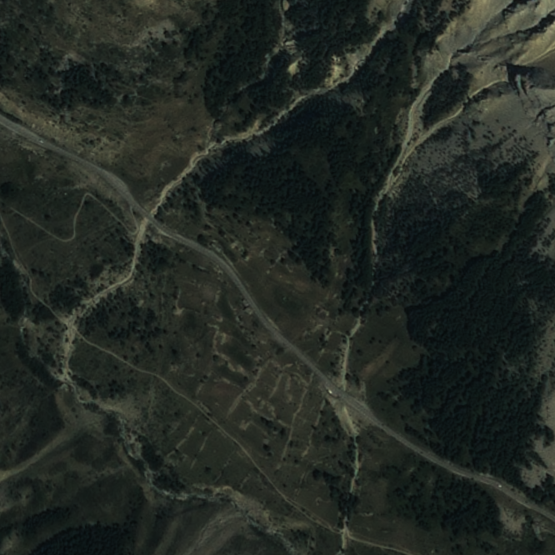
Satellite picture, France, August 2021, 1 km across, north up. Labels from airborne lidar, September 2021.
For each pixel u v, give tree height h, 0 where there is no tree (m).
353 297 17
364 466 0
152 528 0
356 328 0
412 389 8
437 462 0
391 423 0
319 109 11
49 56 8
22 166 0
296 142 16
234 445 0
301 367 0
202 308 0
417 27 13
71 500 0
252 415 0
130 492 0
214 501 0
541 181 0
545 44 0
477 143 0
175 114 0
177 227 0
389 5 0
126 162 0
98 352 0
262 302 0
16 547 0
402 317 0
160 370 0
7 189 16
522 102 0
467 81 6
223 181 13
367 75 16
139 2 0
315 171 0
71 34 0
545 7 0
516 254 11
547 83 0
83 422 0
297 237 12
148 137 0
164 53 0
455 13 8
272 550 0
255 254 0
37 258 0
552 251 0
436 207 9
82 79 11
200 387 0
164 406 0
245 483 0
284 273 0
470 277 21
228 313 0
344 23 18
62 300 7
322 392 0
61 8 0
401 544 0
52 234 0
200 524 0
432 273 28
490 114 0
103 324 10
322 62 11
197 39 10
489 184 16
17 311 9
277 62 9
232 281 0
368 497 0
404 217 14
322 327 0
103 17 0
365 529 0
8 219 0
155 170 0
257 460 0
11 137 0
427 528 13
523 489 13
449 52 0
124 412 0
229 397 0
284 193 15
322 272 14
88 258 0
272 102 19
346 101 0
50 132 0
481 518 19
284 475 0
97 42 0
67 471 0
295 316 0
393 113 0
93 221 0
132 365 0
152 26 0
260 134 0
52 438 0
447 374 23
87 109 0
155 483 7
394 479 0
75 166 0
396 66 15
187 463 0
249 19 15
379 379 0
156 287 0
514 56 0
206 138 0
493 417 13
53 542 9
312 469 0
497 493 0
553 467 0
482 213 6
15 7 0
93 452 0
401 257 6
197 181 17
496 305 22
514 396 16
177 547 0
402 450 0
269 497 0
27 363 8
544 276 18
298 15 15
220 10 8
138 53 0
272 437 0
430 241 22
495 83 0
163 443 0
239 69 15
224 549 0
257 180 13
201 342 0
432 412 17
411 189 6
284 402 0
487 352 8
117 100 0
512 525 0
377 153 6
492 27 0
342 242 0
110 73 9
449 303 23
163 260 11
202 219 0
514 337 20
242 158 8
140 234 0
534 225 12
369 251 15
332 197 15
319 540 0
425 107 8
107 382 0
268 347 0
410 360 0
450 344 21
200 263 0
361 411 0
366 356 0
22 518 0
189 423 0
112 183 0
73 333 0
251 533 0
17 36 0
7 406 0
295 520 0
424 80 0
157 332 12
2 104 0
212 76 23
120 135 0
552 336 0
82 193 0
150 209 0
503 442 22
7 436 0
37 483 0
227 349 0
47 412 0
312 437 0
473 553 0
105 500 0
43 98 8
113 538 16
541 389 13
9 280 10
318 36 13
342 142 15
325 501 0
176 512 0
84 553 13
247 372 0
